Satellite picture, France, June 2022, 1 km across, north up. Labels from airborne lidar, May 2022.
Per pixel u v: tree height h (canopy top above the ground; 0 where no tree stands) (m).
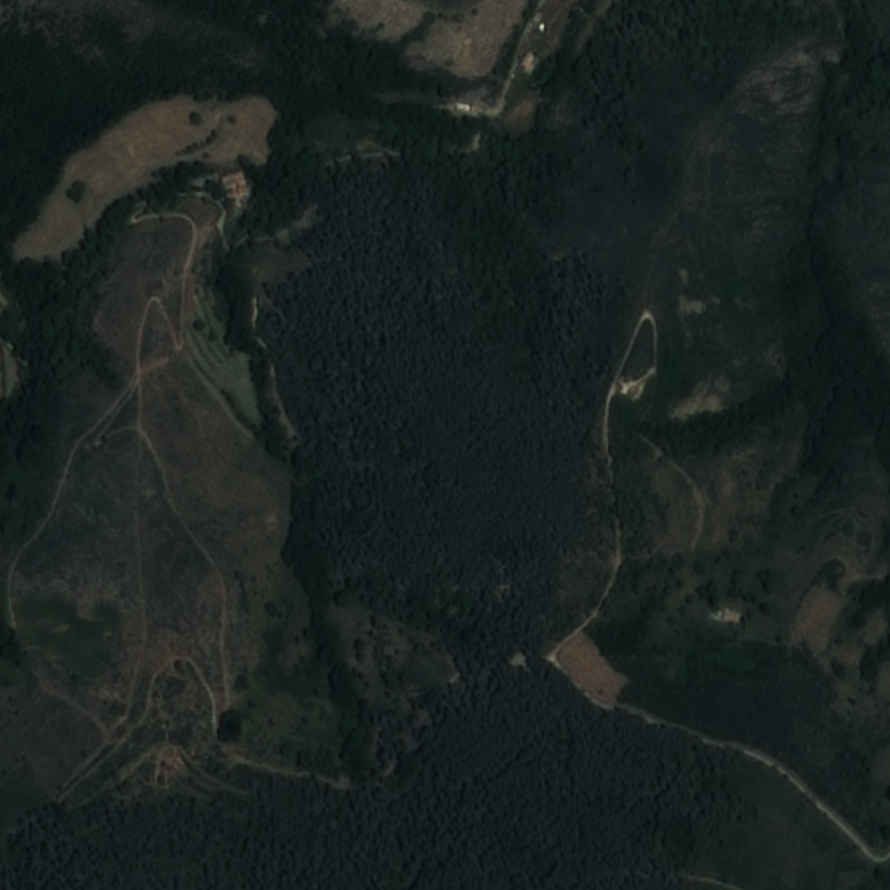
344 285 15
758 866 0
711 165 0
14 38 12
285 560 10
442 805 13
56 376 8
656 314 0
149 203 9
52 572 0
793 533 0
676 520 0
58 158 23
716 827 15
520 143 13
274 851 10
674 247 0
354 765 10
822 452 20
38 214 16
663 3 8
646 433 8
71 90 14
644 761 19
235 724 18
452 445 18
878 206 0
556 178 7
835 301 19
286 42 13
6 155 16
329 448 6
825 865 0
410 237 15
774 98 0
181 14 6
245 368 0
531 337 20
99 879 8
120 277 0
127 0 0
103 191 0
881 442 13
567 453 15
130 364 0
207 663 0
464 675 11
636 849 19
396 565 14
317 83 11
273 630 0
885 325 0
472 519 15
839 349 16
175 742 0
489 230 12
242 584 6
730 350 0
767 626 0
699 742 19
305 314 9
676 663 0
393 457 17
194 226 0
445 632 10
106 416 0
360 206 15
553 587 14
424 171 13
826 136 11
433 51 0
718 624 0
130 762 0
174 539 0
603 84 7
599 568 0
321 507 12
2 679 5
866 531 0
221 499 0
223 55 7
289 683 0
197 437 0
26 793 0
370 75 16
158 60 9
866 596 14
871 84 13
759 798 0
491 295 10
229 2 10
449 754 19
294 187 10
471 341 13
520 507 17
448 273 9
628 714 14
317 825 9
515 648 9
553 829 15
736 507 0
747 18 8
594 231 0
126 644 0
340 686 20
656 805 10
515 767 17
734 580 10
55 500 0
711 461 0
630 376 0
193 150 7
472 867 18
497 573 14
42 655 0
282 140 19
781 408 20
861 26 20
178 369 0
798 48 0
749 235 0
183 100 0
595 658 0
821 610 0
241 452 0
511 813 15
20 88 19
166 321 0
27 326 7
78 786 0
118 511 0
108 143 0
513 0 0
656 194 0
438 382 22
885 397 16
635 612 8
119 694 0
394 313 16
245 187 0
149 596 0
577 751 18
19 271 19
